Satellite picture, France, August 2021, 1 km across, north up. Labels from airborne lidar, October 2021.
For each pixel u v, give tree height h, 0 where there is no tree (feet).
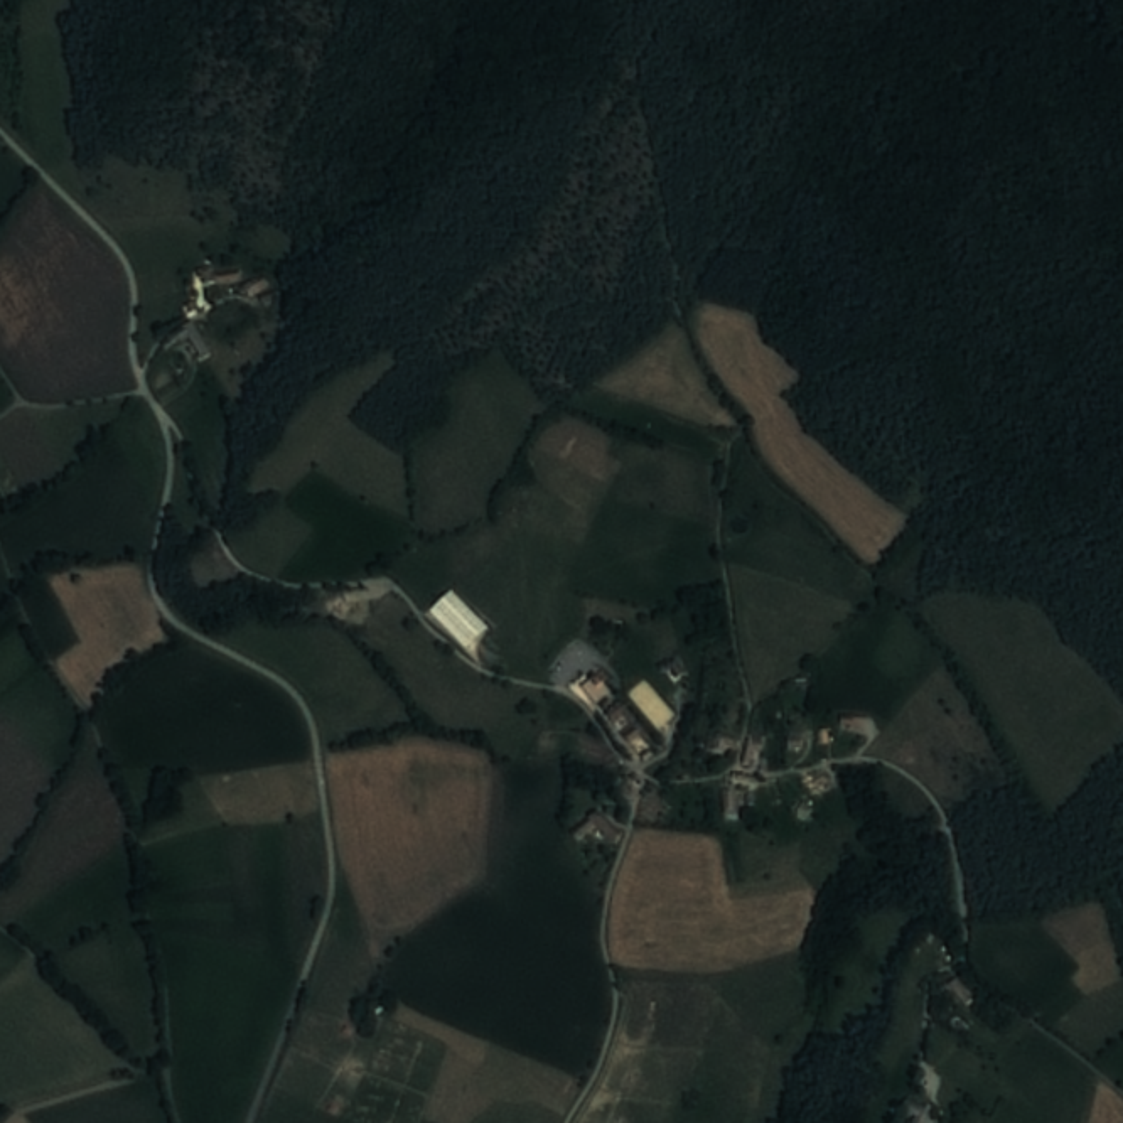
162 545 37
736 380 0
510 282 35
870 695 0
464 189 35
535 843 0
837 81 52
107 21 50
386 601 0
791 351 54
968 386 44
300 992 29
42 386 0
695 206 36
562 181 49
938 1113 23
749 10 40
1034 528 40
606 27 50
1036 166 53
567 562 0
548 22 55
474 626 0
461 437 0
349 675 0
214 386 0
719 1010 0
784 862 0
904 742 0
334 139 30
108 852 0
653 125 27
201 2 53
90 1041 0
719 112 29
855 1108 38
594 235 20
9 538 0
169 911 0
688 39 39
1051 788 0
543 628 0
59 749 0
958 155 37
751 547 0
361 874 0
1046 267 43
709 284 54
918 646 0
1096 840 44
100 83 51
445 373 33
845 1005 0
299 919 0
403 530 0
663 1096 0
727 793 0
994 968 0
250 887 0
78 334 0
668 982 0
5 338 0
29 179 41
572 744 0
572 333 21
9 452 0
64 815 0
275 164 36
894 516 0
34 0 0
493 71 52
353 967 0
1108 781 41
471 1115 0
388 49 49
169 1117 29
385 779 0
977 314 41
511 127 41
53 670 27
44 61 0
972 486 43
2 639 0
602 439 0
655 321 27
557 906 0
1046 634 0
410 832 0
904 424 24
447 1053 0
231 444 39
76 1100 0
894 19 61
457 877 0
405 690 28
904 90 70
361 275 33
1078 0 57
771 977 0
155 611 0
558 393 26
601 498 0
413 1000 0
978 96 63
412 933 0
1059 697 0
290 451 0
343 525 0
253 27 54
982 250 39
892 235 48
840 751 0
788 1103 58
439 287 41
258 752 0
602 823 0
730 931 0
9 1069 0
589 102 46
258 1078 0
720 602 46
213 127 28
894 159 62
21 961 0
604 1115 0
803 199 51
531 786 0
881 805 58
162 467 0
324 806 0
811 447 0
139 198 0
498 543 0
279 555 0
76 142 25
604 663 0
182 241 0
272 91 30
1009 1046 0
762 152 23
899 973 29
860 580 0
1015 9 63
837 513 0
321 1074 0
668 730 0
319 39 28
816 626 0
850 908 86
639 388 0
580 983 0
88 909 0
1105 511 34
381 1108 0
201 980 0
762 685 0
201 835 0
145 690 0
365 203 57
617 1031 0
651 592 0
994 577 29
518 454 22
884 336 37
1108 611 33
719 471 34
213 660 0
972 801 30
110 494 0
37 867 0
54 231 0
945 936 42
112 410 0
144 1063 41
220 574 0
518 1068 0
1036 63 64
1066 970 0
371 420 42
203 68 33
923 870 51
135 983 0
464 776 0
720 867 0
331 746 23
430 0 46
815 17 48
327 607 0
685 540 0
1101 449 57
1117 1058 0
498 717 0
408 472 23
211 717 0
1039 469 33
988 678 0
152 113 38
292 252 33
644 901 0
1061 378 40
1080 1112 0
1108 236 43
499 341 24
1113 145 51
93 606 0
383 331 40
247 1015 0
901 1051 0
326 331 38
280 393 33
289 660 0
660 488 0
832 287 55
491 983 0
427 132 74
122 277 0
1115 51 72
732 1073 0
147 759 0
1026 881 30
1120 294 47
